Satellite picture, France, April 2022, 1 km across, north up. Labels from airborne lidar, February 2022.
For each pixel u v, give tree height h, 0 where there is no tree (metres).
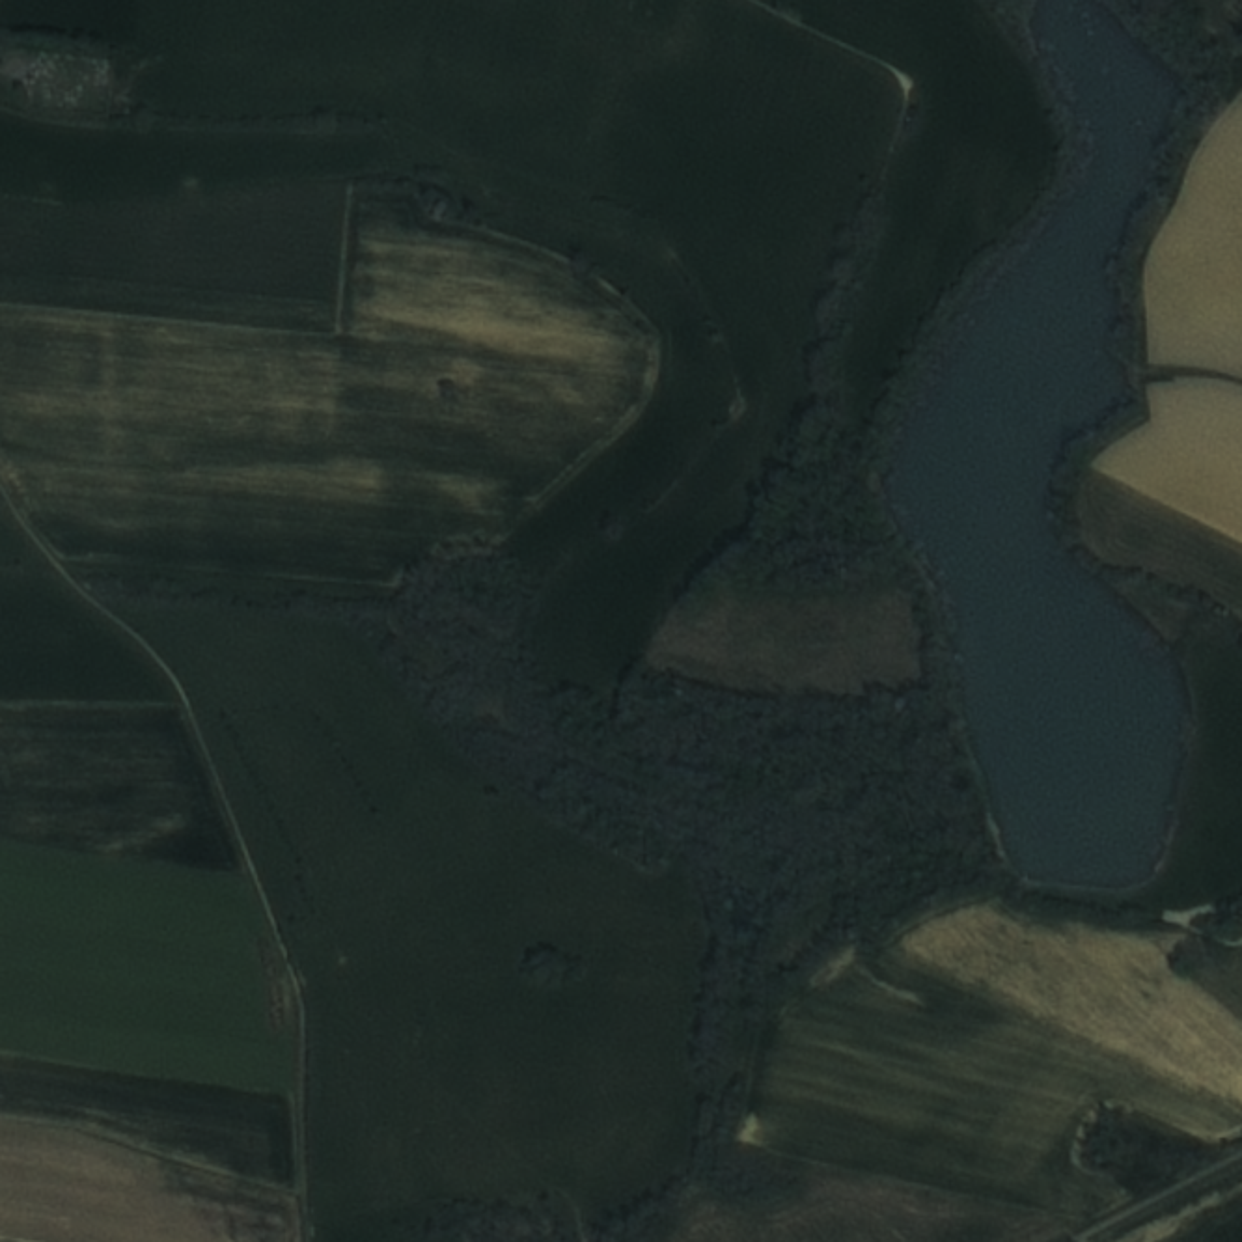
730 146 0
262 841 0
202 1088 0
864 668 0
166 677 0
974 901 0
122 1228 0
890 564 27
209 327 0
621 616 0
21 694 0
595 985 0
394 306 0
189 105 0
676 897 0
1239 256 0
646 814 28
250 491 0
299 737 0
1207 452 0
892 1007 0
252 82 0
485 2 0
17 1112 0
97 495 0
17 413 0
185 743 0
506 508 0
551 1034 0
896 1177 0
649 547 0
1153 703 0
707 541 0
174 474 0
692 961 0
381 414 0
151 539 0
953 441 0
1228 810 0
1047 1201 0
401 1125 0
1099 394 0
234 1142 0
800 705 23
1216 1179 0
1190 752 0
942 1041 0
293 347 0
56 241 0
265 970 0
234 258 0
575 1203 0
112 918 0
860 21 0
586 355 0
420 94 0
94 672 0
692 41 0
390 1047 0
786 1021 0
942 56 0
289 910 0
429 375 0
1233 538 0
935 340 6
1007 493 0
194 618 0
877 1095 0
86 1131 0
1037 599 0
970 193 0
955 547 0
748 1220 0
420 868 0
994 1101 0
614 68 0
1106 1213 0
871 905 8
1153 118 0
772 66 0
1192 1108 0
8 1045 0
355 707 0
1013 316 0
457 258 0
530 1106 0
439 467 0
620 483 0
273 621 0
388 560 0
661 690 10
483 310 0
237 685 0
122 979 0
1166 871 0
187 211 0
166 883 0
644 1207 18
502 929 0
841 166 0
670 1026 0
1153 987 0
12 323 0
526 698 18
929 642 10
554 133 0
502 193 0
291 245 0
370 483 0
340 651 0
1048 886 0
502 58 0
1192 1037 0
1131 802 0
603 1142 0
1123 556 0
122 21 0
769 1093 0
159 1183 0
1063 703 0
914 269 0
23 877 0
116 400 0
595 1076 0
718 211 0
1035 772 0
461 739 11
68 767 0
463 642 20
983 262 7
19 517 0
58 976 0
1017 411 0
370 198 0
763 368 0
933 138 0
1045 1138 0
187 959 0
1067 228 0
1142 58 0
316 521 0
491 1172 0
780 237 0
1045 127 0
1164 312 0
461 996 0
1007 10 6
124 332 0
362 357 0
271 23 0
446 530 0
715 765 16
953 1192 0
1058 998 0
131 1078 0
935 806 27
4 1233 0
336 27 0
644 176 0
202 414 0
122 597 0
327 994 0
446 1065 0
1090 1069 0
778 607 0
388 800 0
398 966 0
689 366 0
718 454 0
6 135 0
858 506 28
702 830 14
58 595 0
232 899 0
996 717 0
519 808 0
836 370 15
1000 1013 0
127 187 0
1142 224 15
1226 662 0
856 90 0
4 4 0
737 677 0
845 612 0
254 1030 0
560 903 0
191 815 0
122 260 0
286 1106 0
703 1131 11
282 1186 0
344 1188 0
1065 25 0
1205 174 0
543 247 0
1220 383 0
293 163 0
